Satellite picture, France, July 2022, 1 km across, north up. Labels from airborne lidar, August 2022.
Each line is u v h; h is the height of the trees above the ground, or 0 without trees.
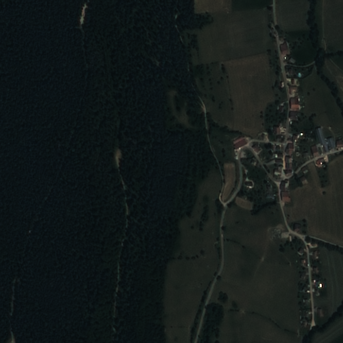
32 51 23
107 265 25
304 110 0
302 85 0
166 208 28
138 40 18
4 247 20
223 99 0
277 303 0
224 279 0
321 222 0
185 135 7
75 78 22
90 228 25
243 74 0
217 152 0
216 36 0
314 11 11
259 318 0
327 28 0
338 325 0
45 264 21
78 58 22
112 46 15
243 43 0
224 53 0
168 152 26
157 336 16
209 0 0
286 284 0
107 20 21
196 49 12
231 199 0
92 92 17
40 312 18
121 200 28
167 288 0
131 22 17
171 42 16
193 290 0
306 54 0
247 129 0
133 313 22
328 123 0
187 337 0
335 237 0
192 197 11
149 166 34
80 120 20
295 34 0
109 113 19
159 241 21
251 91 0
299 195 0
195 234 0
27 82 20
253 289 0
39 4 22
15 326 20
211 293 0
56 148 25
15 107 18
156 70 34
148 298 18
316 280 0
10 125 22
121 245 9
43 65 25
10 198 23
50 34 24
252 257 0
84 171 22
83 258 22
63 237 27
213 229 0
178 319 0
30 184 24
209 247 0
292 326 0
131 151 14
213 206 0
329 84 19
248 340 0
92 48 19
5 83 20
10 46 24
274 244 0
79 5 17
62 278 27
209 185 0
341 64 0
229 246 0
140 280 17
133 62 17
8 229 22
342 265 0
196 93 25
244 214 0
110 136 22
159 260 20
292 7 0
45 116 19
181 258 7
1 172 23
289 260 0
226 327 0
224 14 0
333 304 0
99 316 32
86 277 20
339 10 0
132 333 23
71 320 22
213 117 0
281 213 0
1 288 17
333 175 0
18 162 19
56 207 24
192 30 0
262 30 0
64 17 22
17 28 18
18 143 23
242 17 0
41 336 27
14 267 15
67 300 24
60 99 28
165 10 36
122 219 25
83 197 24
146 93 30
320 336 0
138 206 7
